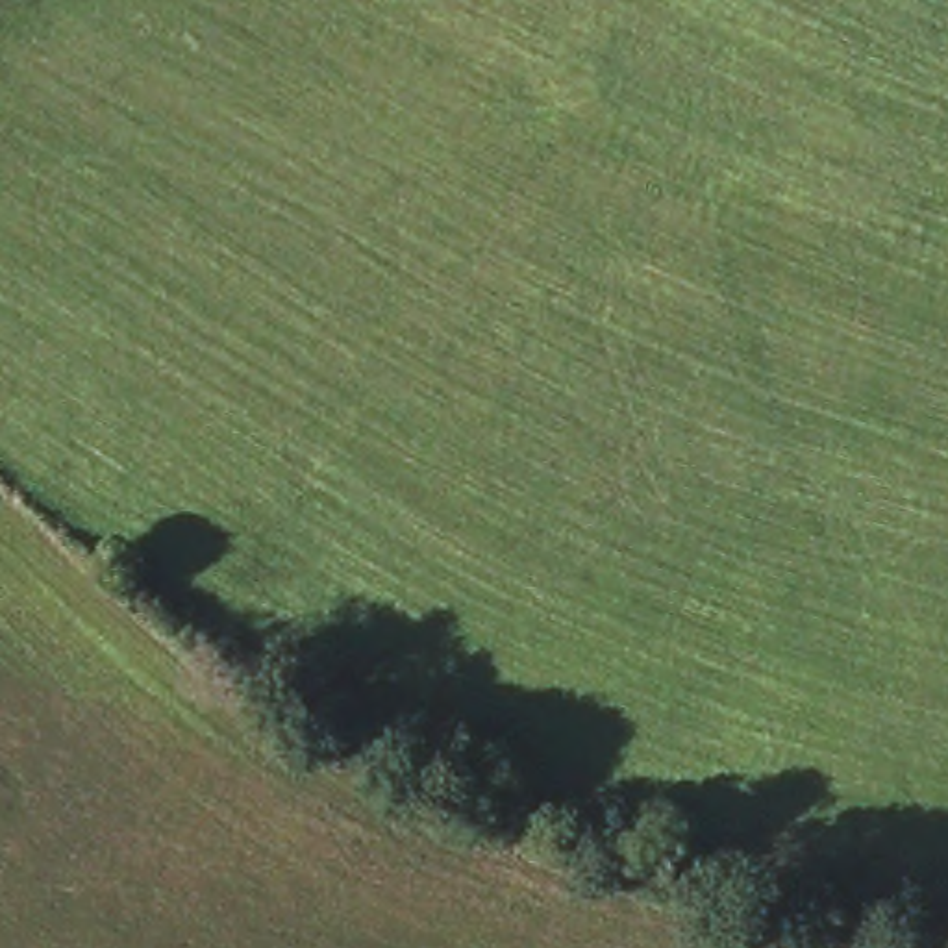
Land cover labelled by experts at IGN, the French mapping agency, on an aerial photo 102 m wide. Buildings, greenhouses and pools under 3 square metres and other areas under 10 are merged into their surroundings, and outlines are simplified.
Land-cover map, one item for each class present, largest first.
<instances>
[{"label":"agricultural land","instance_id":"1","mask_svg":"<svg viewBox=\"0 0 948 948\"><path fill-rule=\"evenodd\" d=\"M59 533L78 548H96V533L133 537L115 555L122 596L107 593L100 600L85 585L81 570L56 548ZM296 622L304 626L300 641L318 652L322 681L341 700L356 696L359 704L385 707L400 692H430L489 704L504 718H530L541 737H555L567 744L559 781L578 785L604 807H618L633 822L648 804H674V811L689 822L685 848H692L700 859L726 848L748 852L755 859L778 852L796 863L811 859L815 867H859L874 881H889L896 892L900 885L915 881L948 896V0H0V948H674V918L667 911L644 907L641 892H607L596 904H574L563 892V878H555L548 867L530 863L522 855V844L485 841L470 844L467 852H448L433 844L426 833H400L385 826L363 800L352 796L348 763H326L318 770H307L304 778H289L274 763H267L259 748L244 741L233 718L244 696L230 678V667L248 655H259L267 633L293 630Z\"/></svg>","mask_w":948,"mask_h":948},{"label":"deciduous trees","instance_id":"2","mask_svg":"<svg viewBox=\"0 0 948 948\"><path fill-rule=\"evenodd\" d=\"M304 626L296 622L293 630L267 633L259 655H248L230 667V678L244 696L233 718L244 741L259 748L267 763H274L289 778H304L307 770H318L326 763H348L352 796L363 800L385 826L400 833H426L433 844L448 852H467L470 844L485 841L522 844V855L530 863L548 867L555 878H563V892L574 904H596L607 892H641L644 907L667 911L674 918V948H948V896L915 881L900 885L896 892L889 881H874L859 867H815L811 859L796 863L778 852L755 859L748 852L726 848L700 859L692 848H685L689 822L674 811V804H648L633 822L618 807H604L578 785L559 781L567 744L555 737H541L530 718H504L489 704L430 692H400L385 707L359 704L356 696L341 700L322 681L318 652L300 641Z\"/></svg>","mask_w":948,"mask_h":948},{"label":"brushwood","instance_id":"3","mask_svg":"<svg viewBox=\"0 0 948 948\"><path fill-rule=\"evenodd\" d=\"M133 537L96 533V548H78L59 533L56 548L81 570L85 585L100 600L107 593L122 596L115 555Z\"/></svg>","mask_w":948,"mask_h":948}]
</instances>
